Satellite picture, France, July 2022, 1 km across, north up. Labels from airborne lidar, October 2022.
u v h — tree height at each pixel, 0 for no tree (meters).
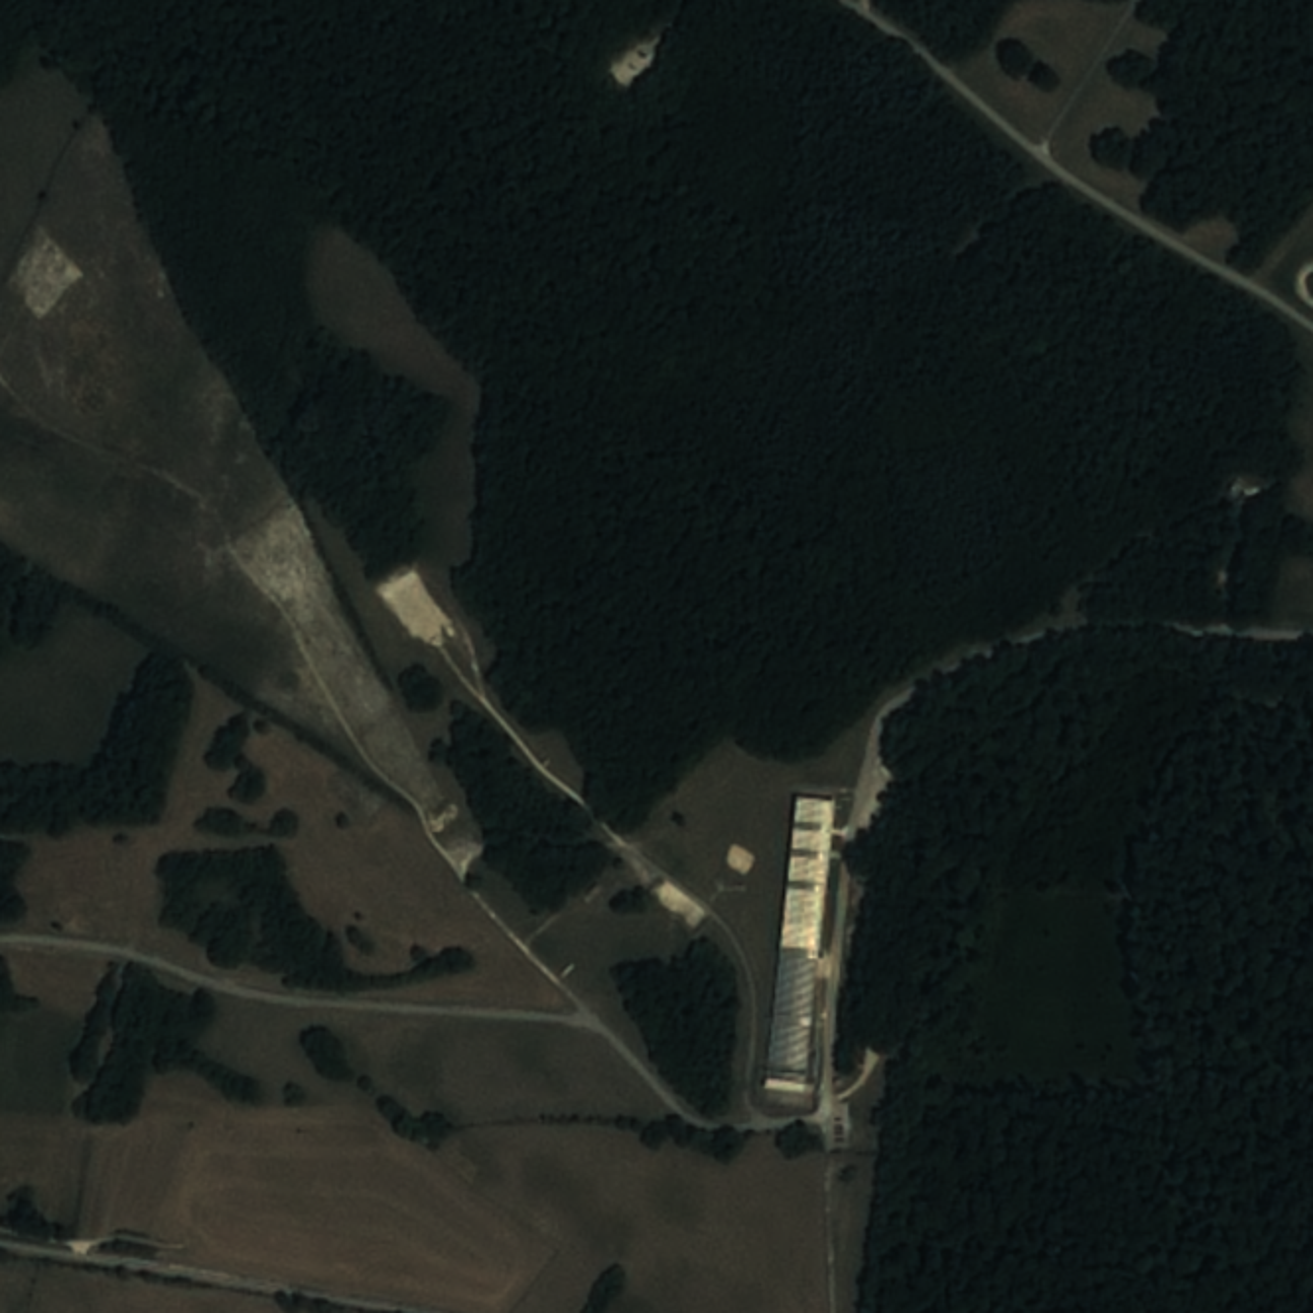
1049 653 22
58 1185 0
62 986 0
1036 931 0
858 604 25
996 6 18
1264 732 23
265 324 10
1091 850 6
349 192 20
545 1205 0
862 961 13
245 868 9
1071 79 0
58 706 0
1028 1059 0
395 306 0
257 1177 0
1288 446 18
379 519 17
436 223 22
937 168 18
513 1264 0
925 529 12
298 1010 0
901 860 22
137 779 16
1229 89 14
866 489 10
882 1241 19
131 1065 10
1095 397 16
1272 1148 28
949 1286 23
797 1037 0
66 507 0
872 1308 18
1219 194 21
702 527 23
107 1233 0
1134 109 0
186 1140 0
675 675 22
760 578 21
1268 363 18
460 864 0
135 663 0
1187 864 25
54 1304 0
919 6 18
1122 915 0
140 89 22
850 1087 0
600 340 27
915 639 17
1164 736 12
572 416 21
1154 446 10
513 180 22
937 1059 28
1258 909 30
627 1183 0
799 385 14
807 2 14
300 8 27
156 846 0
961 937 27
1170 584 16
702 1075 10
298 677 0
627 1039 0
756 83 13
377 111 27
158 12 22
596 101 15
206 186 11
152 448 0
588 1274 0
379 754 0
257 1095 9
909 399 16
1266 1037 28
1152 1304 23
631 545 24
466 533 0
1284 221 17
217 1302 0
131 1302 0
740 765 0
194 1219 0
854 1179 11
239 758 11
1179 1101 28
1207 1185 29
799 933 0
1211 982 32
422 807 0
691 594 22
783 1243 0
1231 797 24
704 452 14
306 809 0
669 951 0
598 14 11
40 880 0
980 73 0
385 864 0
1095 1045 0
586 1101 0
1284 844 31
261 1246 0
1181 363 16
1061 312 20
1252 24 24
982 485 13
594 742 18
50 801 15
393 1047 0
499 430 24
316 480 14
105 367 0
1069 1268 23
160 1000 10
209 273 10
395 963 0
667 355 20
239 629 0
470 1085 0
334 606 0
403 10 24
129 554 0
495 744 13
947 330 13
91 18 26
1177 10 14
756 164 10
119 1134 0
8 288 0
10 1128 0
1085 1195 28
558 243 19
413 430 15
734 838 0
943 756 17
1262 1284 19
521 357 15
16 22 19
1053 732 25
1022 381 10
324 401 19
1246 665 27
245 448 0
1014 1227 11
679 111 15
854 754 0
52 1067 0
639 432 21
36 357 0
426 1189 0
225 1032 0
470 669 0
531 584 26
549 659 25
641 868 0
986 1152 24
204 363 0
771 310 20
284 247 10
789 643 21
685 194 16
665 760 23
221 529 0
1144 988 29
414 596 0
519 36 23
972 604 7
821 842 0
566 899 12
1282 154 26
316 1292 0
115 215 0
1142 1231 23
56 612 13
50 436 0
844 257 19
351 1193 0
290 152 23
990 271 21
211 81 28
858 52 18
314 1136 0
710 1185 0
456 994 0
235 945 9
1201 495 14
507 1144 0
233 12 27
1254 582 24
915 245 24
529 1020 0
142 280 0
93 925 0
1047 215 19
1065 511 9
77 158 0
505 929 0
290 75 24
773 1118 0
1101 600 16
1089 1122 22
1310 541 13
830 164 17
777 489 15
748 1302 0
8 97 0
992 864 26
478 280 23
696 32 13
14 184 0
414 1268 0
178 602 0
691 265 22
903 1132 19
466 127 27
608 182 21
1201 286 14
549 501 23
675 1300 0
